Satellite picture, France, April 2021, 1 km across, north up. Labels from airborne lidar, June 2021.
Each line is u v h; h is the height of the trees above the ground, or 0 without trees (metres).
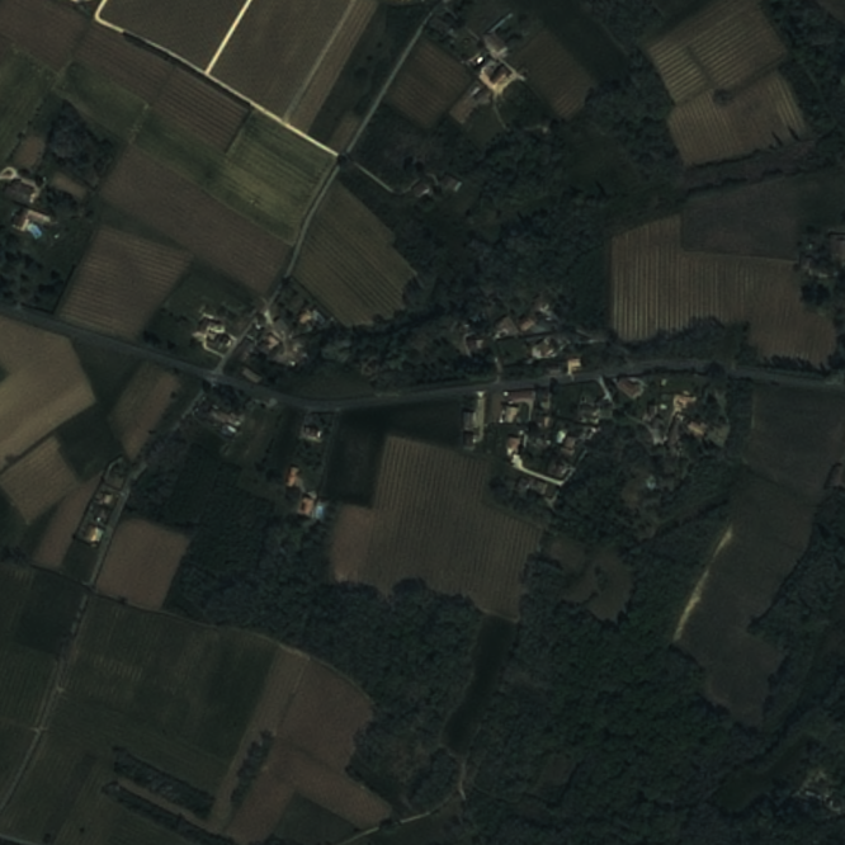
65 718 0
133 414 0
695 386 6
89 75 0
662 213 0
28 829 0
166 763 0
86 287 0
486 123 0
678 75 0
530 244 31
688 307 0
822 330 0
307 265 0
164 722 0
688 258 0
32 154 0
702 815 21
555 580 19
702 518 12
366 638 21
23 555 17
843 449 0
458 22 9
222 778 0
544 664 18
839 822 8
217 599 17
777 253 0
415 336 23
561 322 16
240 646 0
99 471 0
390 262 0
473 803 9
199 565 10
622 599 0
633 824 21
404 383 19
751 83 0
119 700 0
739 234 0
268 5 0
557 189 10
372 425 0
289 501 11
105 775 0
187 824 12
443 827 0
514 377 6
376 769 13
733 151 0
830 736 18
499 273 22
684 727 28
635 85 17
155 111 0
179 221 0
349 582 0
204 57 0
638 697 29
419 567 0
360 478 0
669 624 17
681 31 0
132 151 0
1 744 0
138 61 0
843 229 0
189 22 0
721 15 0
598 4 15
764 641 6
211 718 0
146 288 0
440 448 0
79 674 0
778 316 0
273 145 0
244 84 0
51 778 0
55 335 0
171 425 0
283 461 0
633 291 0
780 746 14
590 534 10
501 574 0
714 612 0
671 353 15
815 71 8
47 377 0
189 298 0
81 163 15
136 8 0
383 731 15
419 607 21
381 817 0
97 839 0
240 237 0
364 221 0
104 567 0
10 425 0
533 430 11
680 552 14
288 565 20
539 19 0
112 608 0
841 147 7
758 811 16
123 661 0
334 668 14
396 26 8
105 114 0
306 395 0
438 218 0
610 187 0
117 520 0
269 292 0
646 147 20
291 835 0
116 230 0
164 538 0
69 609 0
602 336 15
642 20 19
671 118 13
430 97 0
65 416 0
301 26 0
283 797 0
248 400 8
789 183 0
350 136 0
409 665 19
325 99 0
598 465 11
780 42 0
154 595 0
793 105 0
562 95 0
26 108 0
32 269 17
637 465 14
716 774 22
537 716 13
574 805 14
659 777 22
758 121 0
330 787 0
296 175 0
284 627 21
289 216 0
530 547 0
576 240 11
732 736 23
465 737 0
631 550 8
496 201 22
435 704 17
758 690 0
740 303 0
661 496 7
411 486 0
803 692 19
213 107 0
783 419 0
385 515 0
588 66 0
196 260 0
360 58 0
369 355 20
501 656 0
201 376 0
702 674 10
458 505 0
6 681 0
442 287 12
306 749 0
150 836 0
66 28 0
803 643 18
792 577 6
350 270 0
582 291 7
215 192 0
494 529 0
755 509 0
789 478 0
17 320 0
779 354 0
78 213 14
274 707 0
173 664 0
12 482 0
